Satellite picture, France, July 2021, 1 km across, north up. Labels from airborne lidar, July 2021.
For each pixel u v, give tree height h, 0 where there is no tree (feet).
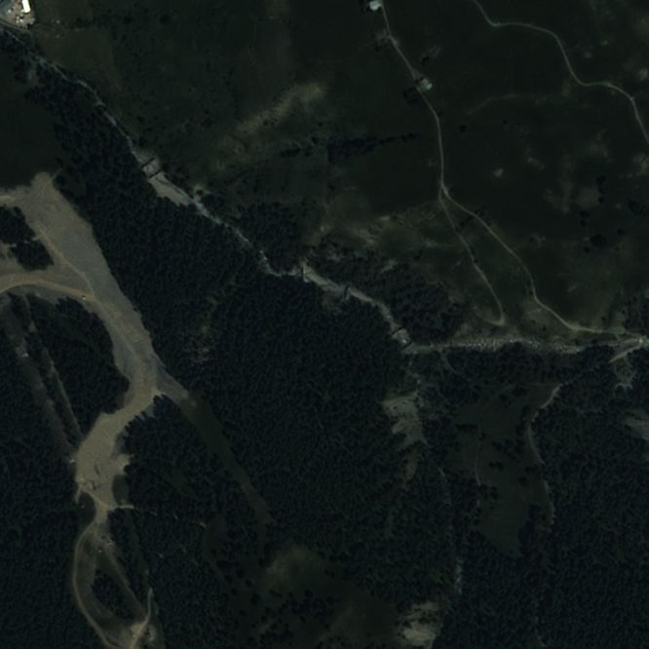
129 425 0
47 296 0
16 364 66
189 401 0
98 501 0
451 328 67
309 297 102
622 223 0
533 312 0
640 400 59
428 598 65
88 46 0
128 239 91
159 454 57
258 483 70
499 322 0
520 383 20
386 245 0
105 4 0
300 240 50
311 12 0
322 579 0
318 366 105
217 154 0
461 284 0
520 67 0
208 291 88
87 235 0
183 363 60
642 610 59
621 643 36
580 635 37
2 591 79
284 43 0
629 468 47
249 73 0
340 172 0
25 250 63
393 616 0
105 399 74
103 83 0
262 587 0
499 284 0
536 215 0
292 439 84
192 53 0
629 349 0
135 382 0
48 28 0
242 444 50
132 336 0
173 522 85
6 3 0
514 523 0
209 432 0
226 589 0
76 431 0
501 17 0
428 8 0
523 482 50
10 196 0
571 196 0
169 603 72
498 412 0
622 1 0
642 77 0
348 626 0
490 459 0
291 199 0
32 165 0
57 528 82
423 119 0
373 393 86
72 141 89
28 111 0
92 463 0
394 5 0
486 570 74
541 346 0
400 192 0
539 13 0
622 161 0
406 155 0
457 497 56
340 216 0
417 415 0
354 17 0
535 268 0
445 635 57
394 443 71
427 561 67
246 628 0
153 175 0
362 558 83
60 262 0
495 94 0
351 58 0
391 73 0
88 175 95
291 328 64
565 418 63
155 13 0
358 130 0
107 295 0
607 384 57
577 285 0
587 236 0
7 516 68
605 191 55
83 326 47
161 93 0
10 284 0
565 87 0
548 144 0
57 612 81
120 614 26
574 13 0
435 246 0
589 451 44
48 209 0
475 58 0
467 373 29
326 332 85
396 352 59
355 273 52
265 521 0
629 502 74
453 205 0
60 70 25
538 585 94
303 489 71
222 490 91
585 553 81
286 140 0
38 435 74
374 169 0
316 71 0
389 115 0
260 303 70
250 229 77
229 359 87
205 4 0
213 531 0
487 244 0
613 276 0
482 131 0
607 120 0
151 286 85
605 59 0
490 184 0
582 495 26
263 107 0
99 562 0
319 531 76
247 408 91
